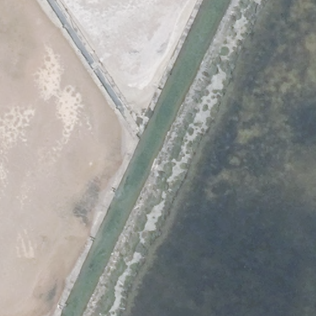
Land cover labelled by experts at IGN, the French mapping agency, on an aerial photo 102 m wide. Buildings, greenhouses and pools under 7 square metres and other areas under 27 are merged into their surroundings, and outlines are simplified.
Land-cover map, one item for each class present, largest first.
<instances>
[{"label":"water","instance_id":"1","mask_svg":"<svg viewBox=\"0 0 316 316\"><path fill-rule=\"evenodd\" d=\"M232 0H202L194 22L186 33L185 41L181 44L178 57L167 73V80L156 105L153 110H147L148 121L143 132L137 133L138 143L131 162L123 174L121 183L114 190V199L96 236H93L91 223L94 221L100 191L105 190L111 178L115 177L123 160L121 123L67 38L49 19L37 0H0V316H53L62 297L65 280L72 273L89 238L93 244L81 265L78 278L60 316H83L90 296L98 285L101 274L104 273L111 253L114 252L117 239L148 179L153 159L163 147L165 135L177 118L179 107L189 93L197 70L200 69L201 60L211 46L222 17L225 16ZM88 64H93V58L81 43L77 28L70 27L65 20L57 0H46ZM262 10L254 16L253 25L246 30L242 33V39H239L233 48V53L236 54L235 68L232 69L228 83L235 88V100L227 99V110L222 115L220 126L216 127L214 139H210L202 148V157L196 164L191 189L184 194L173 226L165 241L158 247L152 267L148 268L142 283L139 284L138 295L133 300L130 316H316V0H260ZM96 77L114 102L116 109L123 112V106L117 100L115 91L106 83L100 70L96 69Z\"/></svg>","mask_w":316,"mask_h":316},{"label":"pervious surface","instance_id":"2","mask_svg":"<svg viewBox=\"0 0 316 316\"><path fill-rule=\"evenodd\" d=\"M49 19L67 38L121 123L123 160L115 177L111 178L105 190L100 191L94 221L91 223L93 236H96L114 199V190L121 183L123 174L131 162L138 143L137 133L143 132L148 121L147 110H153L156 105L167 80V73L178 57L181 44L185 41L186 33L194 22L202 0H57L65 20L70 27L77 28L81 43L93 58V64H88L46 0H37ZM96 69L100 70L106 83L115 91L117 100L123 106V112L116 109L114 102L96 77ZM239 0H232L225 16L222 17L211 46L201 60L200 69L197 70L189 93L179 107L177 118L165 135L163 147L153 159L148 179L117 239L114 252L111 253L104 273L101 274L98 285L90 296L83 316H91L100 297L105 294V283L109 281L112 270L116 267L118 256L126 252V239L135 228L137 216L141 214L144 202L149 194L154 197L159 195L160 189L153 190L152 186L157 183L159 170L168 163L174 139L179 128L183 126L184 118L191 109H197L199 112L189 125L193 128V133H186L181 147L183 152H186L190 141H194L201 131L207 128L206 118L210 116L212 106L217 102L216 99H212L214 90L222 89L226 73H218L212 77L211 84L207 86L209 94L197 104L194 102V95L204 83L206 65L212 63V59L217 57L222 47H227L228 52L226 56H222V60L231 59L233 53V48L239 39H242V33L246 30V17H241L236 23L231 20ZM164 207L163 204H158L154 206L151 214H148L146 226L139 231L141 243L146 242L143 235L156 230V222ZM72 273L65 280L62 297L53 316H60L78 278L81 265L93 244L89 238ZM141 259V253H135L126 263L125 272L117 280L115 302L110 309V316H117L123 284L131 274V265Z\"/></svg>","mask_w":316,"mask_h":316},{"label":"brushwood","instance_id":"3","mask_svg":"<svg viewBox=\"0 0 316 316\"><path fill-rule=\"evenodd\" d=\"M262 10L260 0H239L231 20L236 23L241 17H246V30L253 25L254 16ZM228 52L227 47H222L217 57L212 59V63L206 65L204 83L194 95V102L197 104L209 94L207 86L211 84L212 77L218 73H226L222 89L214 90L212 99H216L217 102L212 106L210 116L206 118L207 128L201 131L194 141H190L186 152H183L181 147L186 133H193V128L189 125L199 112L197 109H191L184 118L183 126L179 128L174 139L168 163L159 170L157 183L152 186L153 190L160 189L159 195L154 197L149 194L144 202L141 214L137 216L135 228L126 239V252L118 256L116 267L112 270L109 281L105 283V294L100 297L91 316H110V309L115 302L117 280L125 272L126 263L135 253H141V259L131 265V274L123 284L117 316H130L133 300L138 295L139 284L142 283L148 268L152 267L158 247L165 241L173 226L184 194L191 189L196 164L202 157V148L210 139H214L216 127L220 126L222 115L227 110V99L235 100V88L228 83L232 69L235 68L236 54L233 53L231 59L222 60V56H226ZM158 204H163L164 207L156 222V230L143 235L146 242L141 243L139 231L146 226L148 214H151L154 206Z\"/></svg>","mask_w":316,"mask_h":316}]
</instances>
